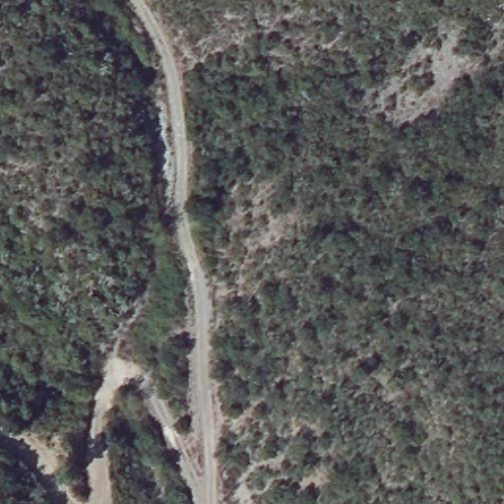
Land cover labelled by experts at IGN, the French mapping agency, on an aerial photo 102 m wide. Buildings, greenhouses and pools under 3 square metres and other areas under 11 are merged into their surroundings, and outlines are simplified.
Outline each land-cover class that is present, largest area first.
<instances>
[{"label":"brushwood","instance_id":"1","mask_svg":"<svg viewBox=\"0 0 504 504\"><path fill-rule=\"evenodd\" d=\"M114 18L94 10L93 0H0V504H67L65 494L59 492L57 486L69 484L75 496H79L81 500H89V465L94 459L102 457V451L108 453L110 461L112 504H193V492L187 486L179 467V451L169 447L161 423L150 413V400L144 396L138 378H130L116 390L112 408L106 411V427L96 437H91L96 392L102 386L104 364L108 358H120L126 362H134L138 366H146L152 378L157 380L159 398L165 400L167 408L173 413L175 431H191V408L187 394L189 352L195 346V339L189 337V333L173 335L171 329L187 321L185 291L191 283L187 262L177 240V211L175 207L165 205V148L159 136V108L154 87L157 71L152 67H146L140 63V59L126 41H120L116 37ZM24 431L37 433V437L45 443L51 441L53 435H59L63 439V447L69 451L67 463L59 465L57 471L45 474L37 467V453L31 451L24 441L12 439L14 433ZM492 0H146L152 12L161 14V26L167 33L177 71L183 79L181 94L185 110V130L187 140L193 144V156L187 179L189 197L185 207L191 219V236L197 246L201 264L205 268L209 299L213 305L209 319L211 378L220 382V408L224 413V423L220 429L219 445L215 455L220 469L228 474L222 482V494L226 492L234 496L238 486L248 488L254 504H504V45L496 43L492 35V26L476 14L484 6H490ZM439 20H459L463 31L459 35L457 45L453 47V53L480 59V71L457 77L439 108L419 114L411 122L396 124L386 116L392 110H396L398 98L396 94H390L386 106L378 104L380 91L388 85L390 77L404 75L411 79L413 91L417 94L425 93L433 87L435 79L431 71V57L413 63L409 69H402V65L406 63L409 51L417 43L421 47L441 49L443 41H447V35H439Z\"/></svg>","mask_w":504,"mask_h":504},{"label":"pervious surface","instance_id":"2","mask_svg":"<svg viewBox=\"0 0 504 504\"><path fill-rule=\"evenodd\" d=\"M118 6V10L128 18V30L136 33L146 45V67H152L157 71L154 87L159 108V136L165 148V205L175 207L177 211V240L187 262L191 283L185 291L187 321L171 329L173 335L189 333V337L195 339V346L189 352L187 394L191 408V431H175L173 413L167 408L165 400L159 398L157 380L152 378L146 366H138L134 362H126L120 358H108L104 364L102 386L96 392L91 437H96L106 427V411L112 408L116 390L130 378H138L144 396L150 400V413L161 423L169 447L179 451V467L187 486L193 492V504H254L248 488L238 486L234 496L226 492L222 494V482L228 474L220 469L215 455L219 445L220 429L224 423V413L220 408V382L211 378L209 319L213 305L209 299L205 268L201 264L197 246L191 236V219L185 207L189 197L187 179L193 156V144L187 140L185 130V110L181 94L183 79L177 71L167 33L161 26V14L152 12L146 0H112ZM12 439L24 441L31 451L37 453V467L45 474L57 471L59 465L67 463L69 451L63 447V439L59 435H53L51 441L45 443L37 437V433L24 431L14 433ZM89 500H81L79 496H75L69 484L57 486L59 492L65 494L67 504H112L110 461L108 453L102 451V457L94 459L89 465Z\"/></svg>","mask_w":504,"mask_h":504},{"label":"bare soil","instance_id":"3","mask_svg":"<svg viewBox=\"0 0 504 504\"><path fill-rule=\"evenodd\" d=\"M476 14L492 26V35L496 43L504 45V0H492L490 6H484ZM439 35H447V41H443L441 49L421 47L417 43L409 51L406 63L402 65V69H409L413 63L431 57V71L435 79L433 87L425 93L417 94L413 91L411 79L404 75L390 77L388 85L380 91L378 104L386 106L390 94H396L398 98L396 110H392L386 116L396 124L411 122L419 114L439 108L457 77L480 71V59L453 53V47L457 45L459 35L463 31L459 20H439Z\"/></svg>","mask_w":504,"mask_h":504},{"label":"deciduous trees","instance_id":"4","mask_svg":"<svg viewBox=\"0 0 504 504\"><path fill-rule=\"evenodd\" d=\"M94 10L114 18L116 37L120 41H126L140 59V63L146 67V45L136 33L128 30V18L118 10V6L112 0H93Z\"/></svg>","mask_w":504,"mask_h":504}]
</instances>
